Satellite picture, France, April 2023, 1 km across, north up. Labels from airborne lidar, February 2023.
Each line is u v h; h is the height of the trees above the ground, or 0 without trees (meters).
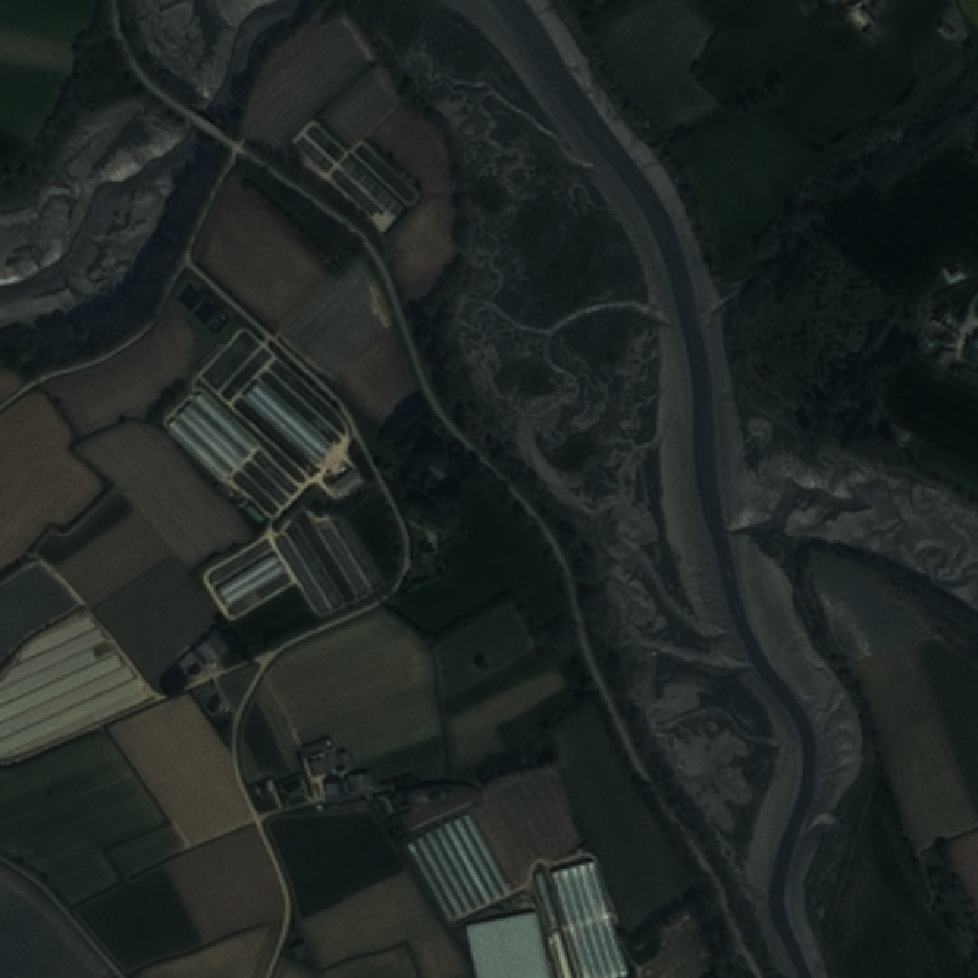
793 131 0
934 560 0
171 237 15
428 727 0
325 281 0
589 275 0
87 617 0
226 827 0
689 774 0
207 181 14
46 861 0
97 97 0
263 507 0
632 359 0
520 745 0
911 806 0
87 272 0
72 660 0
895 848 0
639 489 0
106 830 0
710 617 0
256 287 0
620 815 0
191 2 0
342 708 0
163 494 0
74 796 0
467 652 0
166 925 0
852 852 0
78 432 0
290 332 0
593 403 0
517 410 0
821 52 0
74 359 14
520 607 12
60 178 0
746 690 0
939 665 0
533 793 0
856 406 23
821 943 0
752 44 0
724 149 0
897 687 0
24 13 0
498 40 0
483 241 0
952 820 0
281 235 0
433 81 0
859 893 0
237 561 0
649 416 0
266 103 0
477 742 0
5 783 0
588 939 0
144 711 0
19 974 0
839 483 0
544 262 0
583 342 0
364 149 0
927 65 0
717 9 0
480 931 0
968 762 0
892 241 0
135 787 0
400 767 0
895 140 10
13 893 0
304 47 0
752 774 0
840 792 0
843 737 0
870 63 0
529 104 0
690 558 0
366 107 0
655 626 0
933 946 0
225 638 14
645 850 0
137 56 6
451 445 6
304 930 0
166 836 0
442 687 0
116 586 0
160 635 0
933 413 0
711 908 16
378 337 0
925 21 0
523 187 0
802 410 10
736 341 9
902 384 0
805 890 0
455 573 0
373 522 0
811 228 20
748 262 0
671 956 0
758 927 13
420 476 7
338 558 0
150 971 0
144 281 15
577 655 6
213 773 0
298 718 0
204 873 0
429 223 0
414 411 18
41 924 0
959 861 0
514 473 6
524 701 0
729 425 0
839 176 16
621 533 0
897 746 0
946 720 0
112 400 0
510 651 0
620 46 0
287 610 0
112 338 14
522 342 0
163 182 0
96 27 17
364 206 0
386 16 0
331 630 0
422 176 0
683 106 0
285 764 0
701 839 24
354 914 0
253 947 0
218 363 0
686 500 0
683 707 0
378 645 0
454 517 13
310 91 0
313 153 0
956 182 0
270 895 0
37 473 0
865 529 0
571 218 0
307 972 0
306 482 0
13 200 11
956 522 0
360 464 7
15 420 0
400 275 0
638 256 0
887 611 0
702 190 0
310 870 0
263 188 8
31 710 0
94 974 0
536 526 14
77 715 0
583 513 0
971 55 6
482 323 0
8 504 0
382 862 0
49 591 0
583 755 0
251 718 0
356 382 0
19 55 0
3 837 0
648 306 0
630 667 0
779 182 0
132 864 0
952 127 10
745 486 0
